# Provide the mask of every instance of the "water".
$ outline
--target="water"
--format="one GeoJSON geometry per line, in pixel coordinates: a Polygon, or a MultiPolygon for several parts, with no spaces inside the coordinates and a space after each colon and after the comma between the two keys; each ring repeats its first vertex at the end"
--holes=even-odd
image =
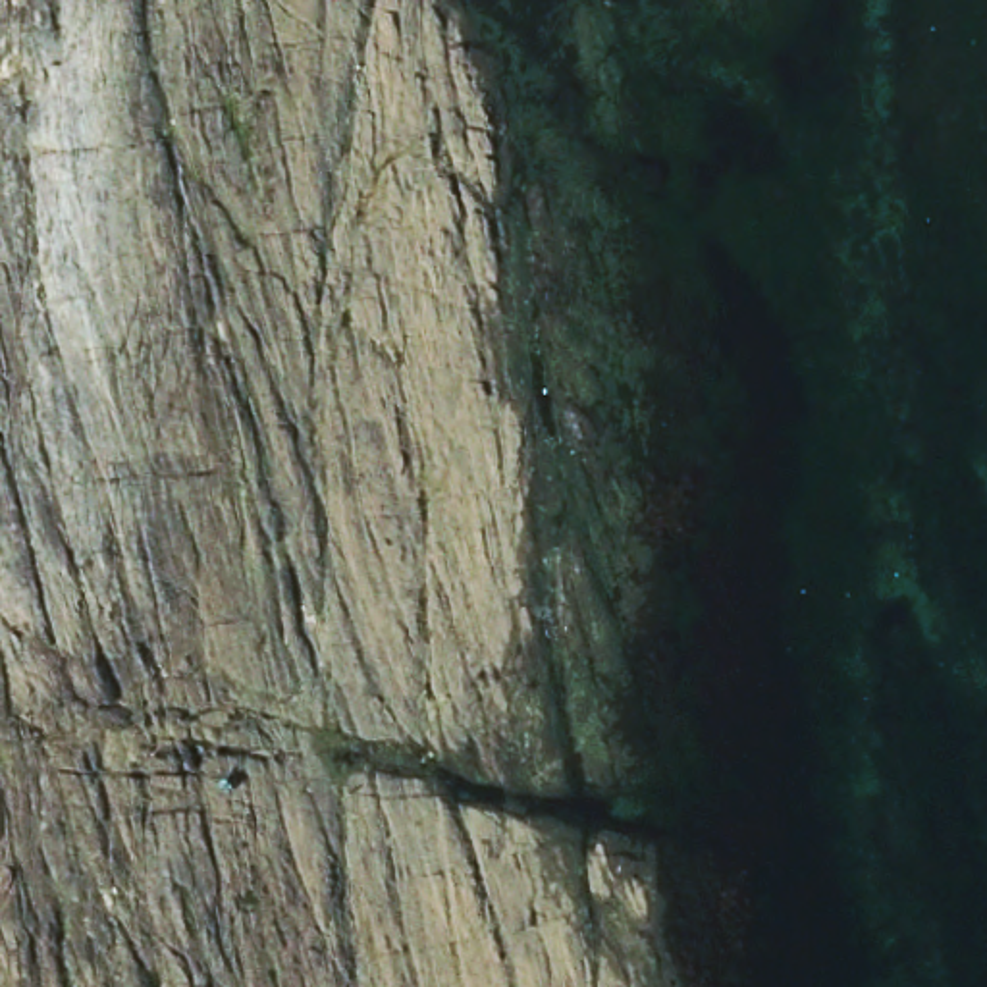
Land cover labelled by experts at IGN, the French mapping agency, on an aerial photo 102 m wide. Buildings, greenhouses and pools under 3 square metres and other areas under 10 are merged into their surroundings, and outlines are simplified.
{"type": "Polygon", "coordinates": [[[428,744],[416,740],[362,740],[343,733],[339,725],[320,725],[312,748],[332,775],[347,779],[359,771],[386,779],[416,779],[428,787],[432,798],[443,798],[443,806],[474,806],[501,817],[517,817],[536,833],[547,833],[563,852],[582,848],[590,856],[594,844],[601,844],[605,856],[617,860],[625,875],[644,887],[648,921],[663,933],[663,945],[682,987],[987,987],[987,0],[455,0],[463,19],[463,54],[474,69],[474,85],[482,93],[482,108],[490,120],[494,200],[478,216],[486,220],[490,254],[497,270],[497,305],[513,320],[509,370],[517,389],[524,393],[513,405],[520,420],[517,478],[528,486],[524,540],[517,559],[520,594],[532,621],[524,667],[528,690],[544,706],[544,736],[536,736],[532,748],[513,748],[509,740],[497,740],[497,763],[505,767],[501,787],[486,783],[478,748],[467,740],[455,752],[436,756],[428,744]]]}

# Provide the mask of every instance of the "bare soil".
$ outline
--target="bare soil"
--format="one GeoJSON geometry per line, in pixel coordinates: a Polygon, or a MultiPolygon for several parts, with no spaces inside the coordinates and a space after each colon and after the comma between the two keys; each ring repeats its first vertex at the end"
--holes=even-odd
{"type": "Polygon", "coordinates": [[[436,756],[455,752],[467,740],[478,748],[486,783],[501,787],[505,767],[497,763],[497,740],[509,740],[513,748],[532,748],[536,736],[544,736],[544,706],[528,690],[524,667],[532,621],[520,594],[517,559],[524,540],[528,486],[517,478],[520,420],[513,405],[524,393],[517,389],[509,370],[513,320],[497,305],[497,270],[490,254],[486,220],[478,216],[494,200],[490,120],[482,108],[482,93],[474,85],[474,69],[463,54],[463,19],[455,0],[0,0],[0,987],[682,987],[663,945],[663,933],[648,921],[644,887],[625,875],[617,860],[605,856],[601,844],[594,844],[590,856],[582,848],[563,852],[547,833],[536,833],[517,817],[501,817],[474,806],[443,806],[443,798],[432,798],[428,787],[416,779],[386,779],[359,771],[347,779],[332,775],[312,748],[320,725],[339,725],[343,733],[362,740],[416,740],[428,744],[436,756]]]}

